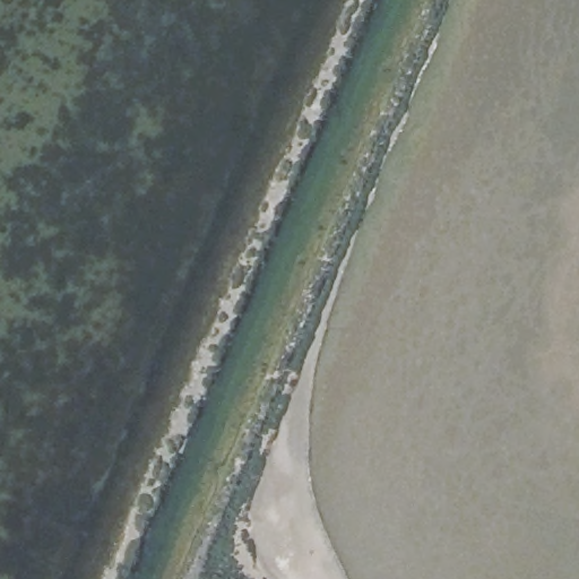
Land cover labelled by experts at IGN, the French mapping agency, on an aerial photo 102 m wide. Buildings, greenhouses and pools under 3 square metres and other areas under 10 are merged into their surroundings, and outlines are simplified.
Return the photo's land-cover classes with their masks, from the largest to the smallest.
<instances>
[{"label":"water","instance_id":"1","mask_svg":"<svg viewBox=\"0 0 579 579\"><path fill-rule=\"evenodd\" d=\"M346 0H0V579H102L104 568L113 559L115 547L122 538L127 513L131 507L133 491H138L149 461L154 450L161 446V437L170 430L172 412L179 407L181 389L190 380V369L197 357L199 344L208 337L210 326L215 323L219 301L226 296L228 290L217 280L222 274V265L226 258H240L247 231L256 224L260 215V204L265 201L271 181L278 158L287 154L292 149L294 138L296 118L303 113L305 90L314 84L328 57V45L335 34L337 16ZM421 0H366L364 16L357 20V29L351 38L346 45L348 52L337 66L335 86L323 97L321 118L317 122V136L310 142L301 154L299 163V172L290 183L285 199L276 208V217L269 231V242L262 244L251 285L247 290L235 308V321L219 344L215 364L208 369V378L204 380L206 391L197 409L188 418L190 427L185 434V450L183 455L172 459V473L163 484L158 491V507L152 516L145 518V527L140 532V538L133 541L127 550L124 563L118 570V579H174L185 556L188 543L195 534V527L204 513L208 495L213 491L217 468L226 459V452L244 418L258 378L267 371V357L274 346V339L283 326L292 299L301 290L305 267L314 256V247L326 228V222L335 208L337 197L342 195L344 179L351 172V163L355 161L369 118L375 111L378 100L391 77L396 57L403 47V38L409 29V23ZM353 251L342 276L337 296L332 301V310L328 314L326 332L317 355L308 409V466L314 509L321 529L330 543V550L335 552L346 579H579V0H452L443 18V25L434 36L427 57L418 70V77L414 81L409 111L391 131L389 147L382 158V172L369 192L364 224L360 226V231L353 233Z\"/></svg>","mask_w":579,"mask_h":579},{"label":"brushwood","instance_id":"2","mask_svg":"<svg viewBox=\"0 0 579 579\"><path fill-rule=\"evenodd\" d=\"M366 0H346L337 16L335 34H346L351 38L357 29V20L364 16ZM452 0H421L409 23V29L403 38V47L396 57L391 77L378 100L375 111L369 118L355 161L351 163V172L344 179L342 195L337 197L335 208L326 222V228L314 247V256L305 267L301 290L292 299L283 326L274 339V346L267 357V371L258 378L244 418L226 452V459L217 468L213 491L208 495L204 513L195 527V534L188 543L185 556L174 579H251L242 572L235 559V522H249L251 500L260 484L267 459L274 452V443L278 441L280 421L287 414L294 389L301 382L305 355L314 342L323 305L332 290L348 242L353 237V233L360 231V226L364 224L369 192L382 172V158L389 147L391 131L409 111L414 81L418 77V70L427 57L434 36L443 25V18ZM317 136V122H308L303 113L296 118L294 138H308L310 142ZM299 172V163L290 161L287 154L278 158L271 181L290 183ZM269 242V231H258L256 224L247 231L240 258H226L222 265V274L217 280L228 290H247L251 285L262 244ZM185 434L174 437L170 430L161 437V446L154 450L149 461L156 464V473L154 477H149V484H163L172 473V459L183 455L185 450ZM131 507L140 509L136 522L140 532L145 527V518L152 516L158 507V491H133Z\"/></svg>","mask_w":579,"mask_h":579},{"label":"pervious surface","instance_id":"3","mask_svg":"<svg viewBox=\"0 0 579 579\"><path fill-rule=\"evenodd\" d=\"M351 38L346 34H335L328 45V57L314 84L305 90L303 113L308 122H317L321 118L323 97L335 86L337 66L348 52L346 45ZM310 142L308 138H294L292 149L287 154L290 161L299 163L301 154ZM290 183L271 181L265 201L260 204V215L256 224L258 231H269L276 217V208L285 199ZM353 237L348 242L332 290L323 305L314 342L305 355L301 382L294 389L287 414L280 421L278 441L274 443V452L267 459L260 484L251 500L249 522H235V559L242 572L251 579H346L335 552L330 550V543L321 529L314 509L308 466V409L317 355L326 332L328 314L332 310V301L337 296L342 276L353 251ZM247 290H228L226 296L219 301L215 323L210 326L208 337L199 344L197 357L190 369V380L181 389L179 407L172 412L170 430L174 437L185 434L190 427L188 418L197 409L206 391L204 380L208 378V369L215 364L219 344L235 321V308ZM156 473V464L149 461L138 491H158L163 484H149V477H154ZM140 509L131 507L127 513L122 538L115 547L113 559L104 568L102 579H118V570L124 563L127 550L133 541L140 538V532L136 522Z\"/></svg>","mask_w":579,"mask_h":579}]
</instances>
